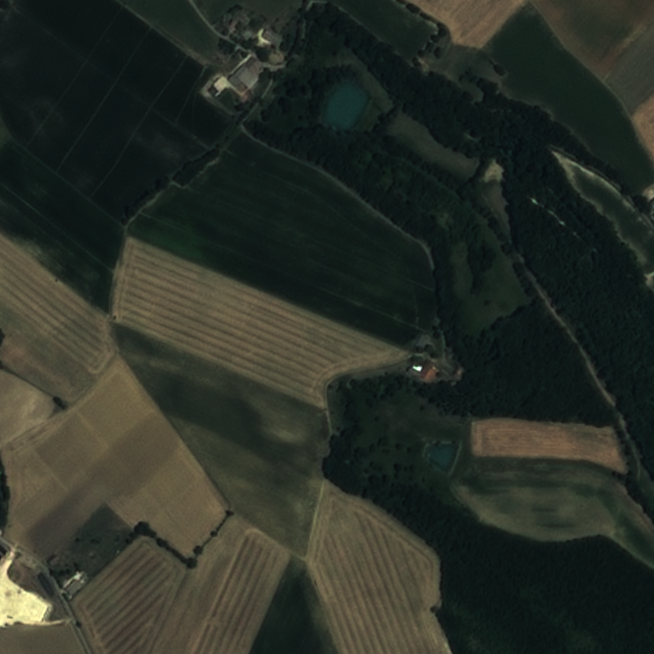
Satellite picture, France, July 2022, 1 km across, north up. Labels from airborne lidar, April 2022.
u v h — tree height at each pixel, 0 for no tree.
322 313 0
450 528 7
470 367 21
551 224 14
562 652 7
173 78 0
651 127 0
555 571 8
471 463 0
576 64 0
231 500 0
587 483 0
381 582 0
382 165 10
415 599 0
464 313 0
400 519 7
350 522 0
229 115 0
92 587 0
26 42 0
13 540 0
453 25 0
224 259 0
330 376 0
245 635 0
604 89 0
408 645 0
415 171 7
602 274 10
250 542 0
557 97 0
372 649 0
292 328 0
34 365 0
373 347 0
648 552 0
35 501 0
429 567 0
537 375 23
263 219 0
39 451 0
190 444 0
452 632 7
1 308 0
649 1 0
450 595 5
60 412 0
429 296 0
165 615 0
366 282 0
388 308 0
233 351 0
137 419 0
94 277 0
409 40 0
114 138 0
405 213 22
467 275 0
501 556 10
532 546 10
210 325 0
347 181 15
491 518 0
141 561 0
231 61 0
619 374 12
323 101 11
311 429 0
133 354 0
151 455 0
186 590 0
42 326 0
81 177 0
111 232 0
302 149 21
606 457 0
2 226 0
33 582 0
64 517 0
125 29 0
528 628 12
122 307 0
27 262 0
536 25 0
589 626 9
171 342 0
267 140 12
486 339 18
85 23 0
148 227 0
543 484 0
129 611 0
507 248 14
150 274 0
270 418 0
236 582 0
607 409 13
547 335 28
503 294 0
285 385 0
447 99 18
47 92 0
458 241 8
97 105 0
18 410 0
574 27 0
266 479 0
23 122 0
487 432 0
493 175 0
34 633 0
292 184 0
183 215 0
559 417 17
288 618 0
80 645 0
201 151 0
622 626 8
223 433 0
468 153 22
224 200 0
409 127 0
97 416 0
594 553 11
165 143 0
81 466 0
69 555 0
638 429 20
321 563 0
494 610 6
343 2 0
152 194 14
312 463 0
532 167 20
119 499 0
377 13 0
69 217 0
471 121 19
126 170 0
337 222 0
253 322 0
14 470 0
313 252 0
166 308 0
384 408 0
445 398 18
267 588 0
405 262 0
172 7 0
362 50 21
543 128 15
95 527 0
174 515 0
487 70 0
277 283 0
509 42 0
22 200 0
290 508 0
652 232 0
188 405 0
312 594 0
